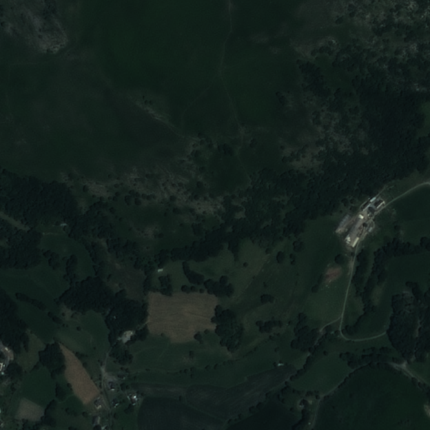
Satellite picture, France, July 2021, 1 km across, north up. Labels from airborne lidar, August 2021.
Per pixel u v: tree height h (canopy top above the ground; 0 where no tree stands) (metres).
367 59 9
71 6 0
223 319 20
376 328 0
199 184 13
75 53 0
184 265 15
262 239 10
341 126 9
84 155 0
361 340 0
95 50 0
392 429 0
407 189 0
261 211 10
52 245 0
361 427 0
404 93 22
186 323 0
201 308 0
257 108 0
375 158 12
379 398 0
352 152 6
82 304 16
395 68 11
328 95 12
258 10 0
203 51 0
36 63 0
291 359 0
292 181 12
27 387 0
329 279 0
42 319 0
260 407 14
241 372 0
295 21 0
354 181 21
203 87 0
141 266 16
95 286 24
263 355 0
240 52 0
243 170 0
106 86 0
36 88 0
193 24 0
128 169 0
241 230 16
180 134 0
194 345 0
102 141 0
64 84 0
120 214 0
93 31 0
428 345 25
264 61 0
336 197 21
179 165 0
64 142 0
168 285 14
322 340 13
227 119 0
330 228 0
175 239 0
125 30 0
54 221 27
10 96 0
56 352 23
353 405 0
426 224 0
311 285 0
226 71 0
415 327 20
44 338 0
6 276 0
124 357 9
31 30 0
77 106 0
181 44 0
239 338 10
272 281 0
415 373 0
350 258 0
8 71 0
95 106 0
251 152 0
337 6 0
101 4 0
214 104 0
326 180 13
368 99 13
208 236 12
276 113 0
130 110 0
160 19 0
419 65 11
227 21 0
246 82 0
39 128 0
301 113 0
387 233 0
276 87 0
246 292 0
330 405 0
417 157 16
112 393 0
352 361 15
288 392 15
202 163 0
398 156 12
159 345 0
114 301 18
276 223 13
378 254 18
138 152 0
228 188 0
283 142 0
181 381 0
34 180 11
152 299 0
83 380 0
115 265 0
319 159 7
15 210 16
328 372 0
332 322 0
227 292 19
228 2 0
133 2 0
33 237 17
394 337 24
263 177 11
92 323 0
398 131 22
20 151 0
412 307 21
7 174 19
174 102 0
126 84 0
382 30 10
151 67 0
